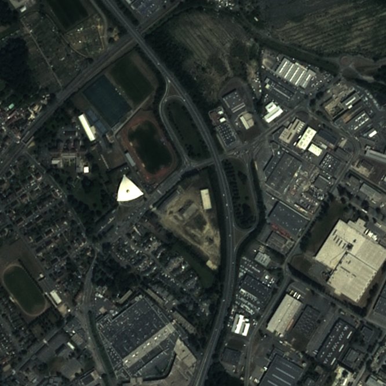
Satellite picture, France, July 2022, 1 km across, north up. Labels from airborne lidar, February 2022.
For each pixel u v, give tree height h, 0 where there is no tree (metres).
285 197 0
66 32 0
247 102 0
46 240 0
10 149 0
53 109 0
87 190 28
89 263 14
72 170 0
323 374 0
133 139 0
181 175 0
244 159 0
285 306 0
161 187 0
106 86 0
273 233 0
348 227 0
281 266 0
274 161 0
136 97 0
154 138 0
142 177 0
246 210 22
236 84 0
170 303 0
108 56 0
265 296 0
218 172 0
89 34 0
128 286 9
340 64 0
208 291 14
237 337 0
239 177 13
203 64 0
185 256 0
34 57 0
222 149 0
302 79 0
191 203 0
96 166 15
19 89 21
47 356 0
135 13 0
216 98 0
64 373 0
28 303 0
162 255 13
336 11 0
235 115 0
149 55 0
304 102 0
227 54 0
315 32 0
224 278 8
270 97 0
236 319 0
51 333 0
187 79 10
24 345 0
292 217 0
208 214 0
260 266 0
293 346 0
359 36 0
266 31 0
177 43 0
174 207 0
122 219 0
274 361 0
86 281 0
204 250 0
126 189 0
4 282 0
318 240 0
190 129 0
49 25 0
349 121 0
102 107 0
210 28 0
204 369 0
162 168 0
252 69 0
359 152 0
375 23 0
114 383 0
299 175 0
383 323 0
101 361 0
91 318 10
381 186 0
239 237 0
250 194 0
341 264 0
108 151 0
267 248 7
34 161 0
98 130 0
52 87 0
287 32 0
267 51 0
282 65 0
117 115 0
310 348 0
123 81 0
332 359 0
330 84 0
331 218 0
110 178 7
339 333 0
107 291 0
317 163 0
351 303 0
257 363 0
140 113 0
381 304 0
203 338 7
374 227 0
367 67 0
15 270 0
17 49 30
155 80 0
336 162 0
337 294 0
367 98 0
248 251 0
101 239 18
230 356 0
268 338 0
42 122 0
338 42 0
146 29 0
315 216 0
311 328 0
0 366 9
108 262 6
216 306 6
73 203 21
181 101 0
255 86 0
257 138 0
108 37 0
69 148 0
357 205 0
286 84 0
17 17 15
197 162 0
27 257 0
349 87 0
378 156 0
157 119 9
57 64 0
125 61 0
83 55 0
